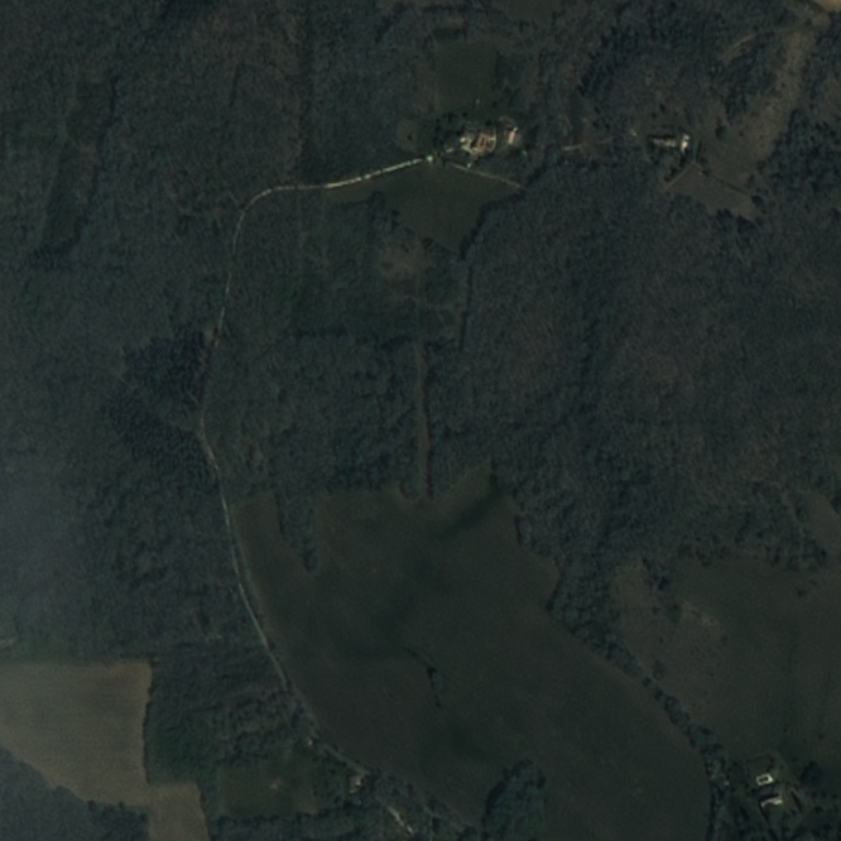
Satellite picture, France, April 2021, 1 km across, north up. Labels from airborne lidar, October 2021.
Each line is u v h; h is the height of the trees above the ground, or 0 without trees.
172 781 17
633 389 16
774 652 0
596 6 12
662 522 22
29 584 13
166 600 24
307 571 12
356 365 23
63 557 18
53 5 21
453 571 0
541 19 0
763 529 14
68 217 7
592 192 15
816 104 13
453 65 0
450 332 0
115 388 23
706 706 0
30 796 26
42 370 19
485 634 0
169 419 22
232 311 21
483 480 0
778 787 7
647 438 12
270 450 16
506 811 22
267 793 0
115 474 14
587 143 0
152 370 12
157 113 19
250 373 15
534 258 16
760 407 19
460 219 0
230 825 16
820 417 19
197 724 12
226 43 11
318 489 24
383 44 15
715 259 14
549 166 19
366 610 0
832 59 11
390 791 16
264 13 7
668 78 17
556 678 0
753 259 16
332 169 7
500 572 0
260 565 0
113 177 17
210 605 23
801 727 0
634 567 13
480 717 0
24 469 27
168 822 0
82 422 22
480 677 0
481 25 16
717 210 0
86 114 5
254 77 17
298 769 0
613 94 13
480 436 20
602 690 0
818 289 12
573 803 0
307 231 14
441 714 0
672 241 12
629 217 22
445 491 17
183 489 13
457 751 0
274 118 8
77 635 19
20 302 23
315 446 21
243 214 16
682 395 13
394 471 22
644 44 9
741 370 18
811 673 0
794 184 13
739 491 12
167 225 15
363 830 14
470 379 13
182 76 16
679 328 13
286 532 18
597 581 12
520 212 20
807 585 0
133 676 0
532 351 15
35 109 23
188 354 14
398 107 0
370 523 0
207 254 22
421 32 15
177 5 13
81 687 0
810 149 11
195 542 16
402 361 24
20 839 18
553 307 15
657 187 13
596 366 16
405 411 14
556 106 17
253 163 13
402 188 0
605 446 17
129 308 23
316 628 0
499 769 0
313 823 12
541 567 0
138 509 25
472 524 0
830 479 16
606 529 9
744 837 13
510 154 0
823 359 17
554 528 9
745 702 0
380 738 0
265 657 9
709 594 0
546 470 13
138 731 0
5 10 19
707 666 0
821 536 0
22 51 17
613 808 0
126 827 13
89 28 18
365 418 15
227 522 18
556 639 0
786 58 0
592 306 20
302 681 0
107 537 24
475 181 0
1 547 12
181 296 22
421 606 0
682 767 0
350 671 0
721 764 11
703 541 14
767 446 14
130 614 25
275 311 20
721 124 12
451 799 0
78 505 20
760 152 0
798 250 15
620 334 10
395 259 0
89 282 22
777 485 10
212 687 15
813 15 0
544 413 20
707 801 0
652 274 17
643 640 0
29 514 19
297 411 18
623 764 0
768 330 17
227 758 9
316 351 23
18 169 20
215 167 15
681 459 11
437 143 7
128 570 23
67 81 21
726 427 16
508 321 16
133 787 0
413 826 21
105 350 24
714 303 14
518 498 14
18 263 23
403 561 0
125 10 23
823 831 10
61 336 25
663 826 0
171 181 16
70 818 24
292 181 11
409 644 0
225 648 13
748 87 10
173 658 12
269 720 11
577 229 15
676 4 8
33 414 25
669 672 0
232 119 13
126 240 14
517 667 0
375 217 8
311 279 6
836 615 0
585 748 0
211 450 14
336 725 0
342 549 0
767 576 0
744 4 12
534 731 0
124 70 18
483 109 0
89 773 0
